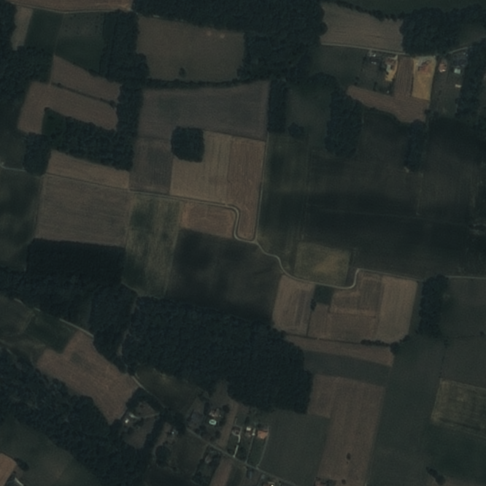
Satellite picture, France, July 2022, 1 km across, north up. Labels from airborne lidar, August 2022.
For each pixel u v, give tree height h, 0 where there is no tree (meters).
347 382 0
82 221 0
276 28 20
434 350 0
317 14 27
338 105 21
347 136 25
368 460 0
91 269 16
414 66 0
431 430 0
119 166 18
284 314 0
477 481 0
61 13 0
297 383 15
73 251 15
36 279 16
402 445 0
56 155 0
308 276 0
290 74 18
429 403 0
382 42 0
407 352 0
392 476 0
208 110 0
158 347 15
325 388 0
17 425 0
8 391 22
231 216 0
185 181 0
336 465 0
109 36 7
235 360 17
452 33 24
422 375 0
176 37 0
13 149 0
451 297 0
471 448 0
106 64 9
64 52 0
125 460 22
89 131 8
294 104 0
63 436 22
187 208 0
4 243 0
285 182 0
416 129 24
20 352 0
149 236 0
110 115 0
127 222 0
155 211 0
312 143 0
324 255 0
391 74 0
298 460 0
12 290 18
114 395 0
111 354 17
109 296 22
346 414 0
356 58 0
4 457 0
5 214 0
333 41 0
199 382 18
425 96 0
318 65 0
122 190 0
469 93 24
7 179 0
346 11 0
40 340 0
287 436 0
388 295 0
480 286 0
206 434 8
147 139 0
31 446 0
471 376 0
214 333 23
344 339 0
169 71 0
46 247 12
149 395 14
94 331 12
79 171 0
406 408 0
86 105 0
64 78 0
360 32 0
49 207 0
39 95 0
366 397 0
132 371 17
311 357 0
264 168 0
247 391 19
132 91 21
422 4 0
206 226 0
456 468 0
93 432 25
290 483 0
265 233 0
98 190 0
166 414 19
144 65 22
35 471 0
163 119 0
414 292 0
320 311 0
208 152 0
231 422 0
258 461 0
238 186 0
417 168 17
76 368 0
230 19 23
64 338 0
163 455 18
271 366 20
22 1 0
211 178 0
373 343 12
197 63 0
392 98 0
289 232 0
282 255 0
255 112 0
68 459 0
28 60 11
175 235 0
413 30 20
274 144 0
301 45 22
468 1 0
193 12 21
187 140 21
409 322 0
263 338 22
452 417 0
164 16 17
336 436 0
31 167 17
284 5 23
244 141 0
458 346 0
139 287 0
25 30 0
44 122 0
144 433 0
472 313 0
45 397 32
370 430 0
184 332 23
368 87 0
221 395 0
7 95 23
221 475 0
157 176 0
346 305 0
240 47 0
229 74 0
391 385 0
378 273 0
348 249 0
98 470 24
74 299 22
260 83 0
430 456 0
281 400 8
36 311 0
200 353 24
